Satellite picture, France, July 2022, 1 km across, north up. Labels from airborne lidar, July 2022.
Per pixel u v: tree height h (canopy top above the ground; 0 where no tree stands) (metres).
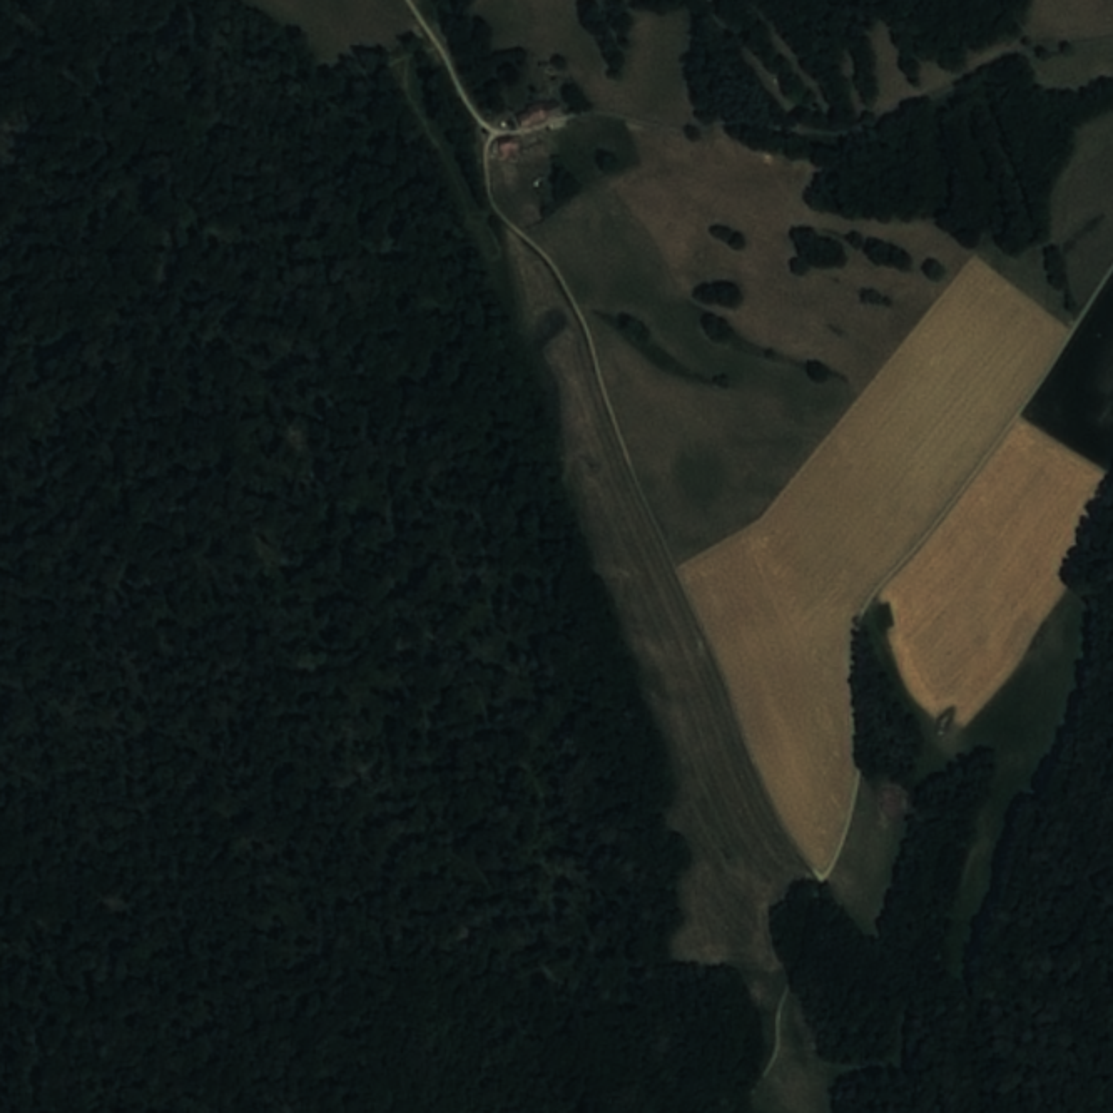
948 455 0
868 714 17
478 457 25
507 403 24
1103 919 21
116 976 25
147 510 23
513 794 26
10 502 24
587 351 0
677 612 0
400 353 23
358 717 29
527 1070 24
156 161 26
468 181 15
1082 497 0
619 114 0
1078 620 0
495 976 26
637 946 25
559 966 21
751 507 0
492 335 25
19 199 24
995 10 20
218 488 27
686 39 0
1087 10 0
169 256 26
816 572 0
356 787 8
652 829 25
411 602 27
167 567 25
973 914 0
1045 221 16
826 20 19
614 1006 23
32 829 17
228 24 26
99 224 23
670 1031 25
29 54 17
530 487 23
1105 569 20
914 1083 21
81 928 22
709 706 0
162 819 23
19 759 23
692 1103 24
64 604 23
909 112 19
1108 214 0
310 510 26
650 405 0
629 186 0
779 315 0
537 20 0
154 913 18
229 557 25
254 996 22
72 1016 25
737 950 0
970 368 0
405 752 29
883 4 15
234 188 20
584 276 0
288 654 20
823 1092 0
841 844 0
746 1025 20
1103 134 0
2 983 26
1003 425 0
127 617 24
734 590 0
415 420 30
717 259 0
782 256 0
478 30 20
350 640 30
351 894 24
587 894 26
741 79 18
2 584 21
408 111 29
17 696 20
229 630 27
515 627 24
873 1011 23
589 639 20
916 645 0
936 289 0
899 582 0
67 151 21
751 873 0
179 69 15
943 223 19
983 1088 15
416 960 20
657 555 0
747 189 0
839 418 0
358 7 0
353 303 27
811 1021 11
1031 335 0
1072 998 20
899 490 0
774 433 0
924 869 20
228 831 25
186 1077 20
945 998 16
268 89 17
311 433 22
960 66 18
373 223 28
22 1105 28
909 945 14
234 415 26
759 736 0
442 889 29
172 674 25
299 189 22
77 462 25
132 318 25
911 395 0
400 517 16
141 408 20
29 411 26
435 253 21
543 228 0
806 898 18
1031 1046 25
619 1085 21
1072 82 0
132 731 23
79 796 16
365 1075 22
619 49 14
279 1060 23
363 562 28
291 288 22
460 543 13
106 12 22
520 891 11
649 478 0
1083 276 0
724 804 0
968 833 22
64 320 23
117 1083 25
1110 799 22
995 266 0
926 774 0
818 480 0
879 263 13
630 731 20
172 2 19
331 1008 22
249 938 21
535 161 0
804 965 19
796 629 0
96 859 23
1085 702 20
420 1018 14
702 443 0
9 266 18
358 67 16
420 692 22
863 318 0
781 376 0
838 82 17
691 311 0
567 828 27
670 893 13
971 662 0
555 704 24
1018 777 0
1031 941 24
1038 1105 27
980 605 0
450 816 14
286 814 25
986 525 0
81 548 22
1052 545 0
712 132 0
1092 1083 22
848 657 0
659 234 0
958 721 0
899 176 16
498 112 11
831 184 19
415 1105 14
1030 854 28
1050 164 18
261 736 22
